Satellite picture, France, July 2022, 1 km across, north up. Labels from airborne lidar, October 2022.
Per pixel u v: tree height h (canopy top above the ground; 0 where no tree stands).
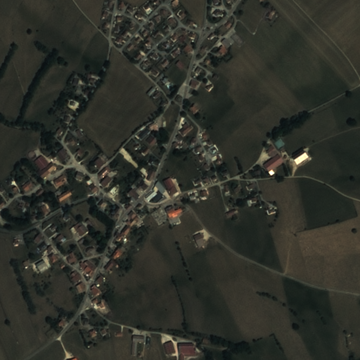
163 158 0
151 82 0
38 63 0
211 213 0
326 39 0
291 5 0
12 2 0
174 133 0
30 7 0
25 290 17
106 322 12
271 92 0
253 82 0
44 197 15
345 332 8
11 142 0
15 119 0
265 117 0
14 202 0
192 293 0
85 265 0
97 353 0
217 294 0
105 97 0
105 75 18
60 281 0
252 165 0
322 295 0
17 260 16
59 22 0
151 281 0
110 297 0
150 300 0
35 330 0
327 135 0
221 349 0
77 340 0
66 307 0
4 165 0
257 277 0
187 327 16
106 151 0
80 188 0
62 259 0
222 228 0
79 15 0
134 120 0
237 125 0
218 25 0
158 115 18
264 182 0
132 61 14
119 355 0
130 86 0
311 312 0
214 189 0
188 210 0
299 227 0
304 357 0
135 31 0
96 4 0
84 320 13
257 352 0
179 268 0
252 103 0
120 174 0
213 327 0
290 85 0
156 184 7
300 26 0
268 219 0
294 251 0
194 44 14
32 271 0
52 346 0
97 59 0
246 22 0
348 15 0
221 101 0
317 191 0
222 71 0
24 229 0
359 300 0
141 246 0
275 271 0
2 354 0
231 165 0
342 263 0
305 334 0
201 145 0
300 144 0
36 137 0
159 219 0
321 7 0
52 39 0
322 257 0
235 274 0
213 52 6
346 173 0
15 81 0
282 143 0
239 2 0
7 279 0
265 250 0
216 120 0
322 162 0
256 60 0
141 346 0
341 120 0
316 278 0
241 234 0
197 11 0
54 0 0
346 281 0
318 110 0
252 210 0
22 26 0
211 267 0
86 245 15
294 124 25
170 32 0
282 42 0
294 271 0
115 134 0
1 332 0
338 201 0
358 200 0
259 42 0
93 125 0
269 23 0
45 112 0
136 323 0
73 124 13
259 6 0
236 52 0
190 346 0
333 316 0
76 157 0
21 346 0
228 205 0
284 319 0
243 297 0
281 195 0
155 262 0
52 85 0
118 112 0
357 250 0
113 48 0
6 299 0
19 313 0
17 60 0
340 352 0
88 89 12
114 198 0
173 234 0
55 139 7
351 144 0
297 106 0
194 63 0
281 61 0
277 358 0
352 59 0
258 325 0
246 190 0
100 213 22
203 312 0
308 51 0
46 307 0
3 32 0
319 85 0
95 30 0
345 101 0
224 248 0
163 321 0
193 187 0
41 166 0
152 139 0
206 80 15
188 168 0
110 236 15
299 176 0
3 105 0
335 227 0
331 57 0
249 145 0
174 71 0
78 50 0
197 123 0
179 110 0
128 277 0
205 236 0
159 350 0
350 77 0
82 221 15
